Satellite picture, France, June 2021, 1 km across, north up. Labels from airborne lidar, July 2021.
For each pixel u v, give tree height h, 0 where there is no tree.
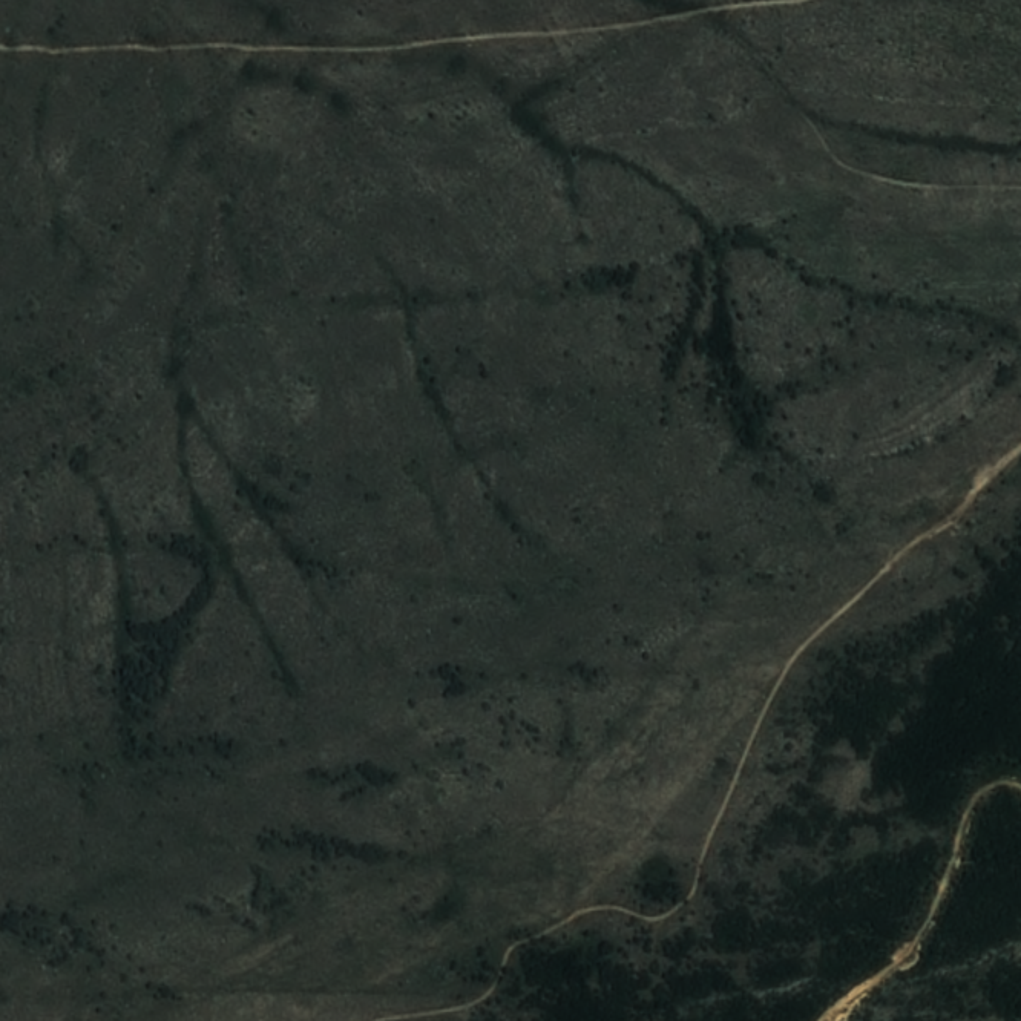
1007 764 8
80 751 0
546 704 0
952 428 0
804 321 0
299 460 0
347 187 0
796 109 0
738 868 0
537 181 0
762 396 7
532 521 0
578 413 0
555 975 7
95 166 0
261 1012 0
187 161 0
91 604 0
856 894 6
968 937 7
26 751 0
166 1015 0
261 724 0
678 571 0
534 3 0
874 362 0
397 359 0
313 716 0
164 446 0
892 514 0
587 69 0
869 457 0
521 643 0
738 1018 6
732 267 0
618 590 0
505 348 0
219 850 0
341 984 0
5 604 0
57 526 0
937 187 0
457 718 0
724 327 8
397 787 0
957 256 0
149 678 9
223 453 0
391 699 0
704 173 0
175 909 0
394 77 0
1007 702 5
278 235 0
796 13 0
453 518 0
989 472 0
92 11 0
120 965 0
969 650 7
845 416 0
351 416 0
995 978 8
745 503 0
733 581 0
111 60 0
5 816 0
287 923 0
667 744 0
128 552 0
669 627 0
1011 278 0
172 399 0
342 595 0
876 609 0
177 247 0
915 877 10
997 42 0
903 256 0
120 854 0
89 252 0
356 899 0
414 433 0
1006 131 0
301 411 0
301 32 0
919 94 0
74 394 0
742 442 7
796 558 0
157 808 0
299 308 0
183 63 0
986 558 7
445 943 0
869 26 0
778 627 0
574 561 0
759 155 0
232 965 0
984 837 6
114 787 0
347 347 0
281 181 0
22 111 0
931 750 13
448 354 0
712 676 0
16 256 0
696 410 0
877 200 0
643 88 0
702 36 0
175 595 0
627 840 0
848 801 0
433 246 0
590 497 0
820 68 0
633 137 0
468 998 0
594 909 0
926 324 0
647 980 7
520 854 0
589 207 0
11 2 0
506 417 0
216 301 0
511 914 0
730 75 0
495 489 0
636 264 7
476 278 0
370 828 0
